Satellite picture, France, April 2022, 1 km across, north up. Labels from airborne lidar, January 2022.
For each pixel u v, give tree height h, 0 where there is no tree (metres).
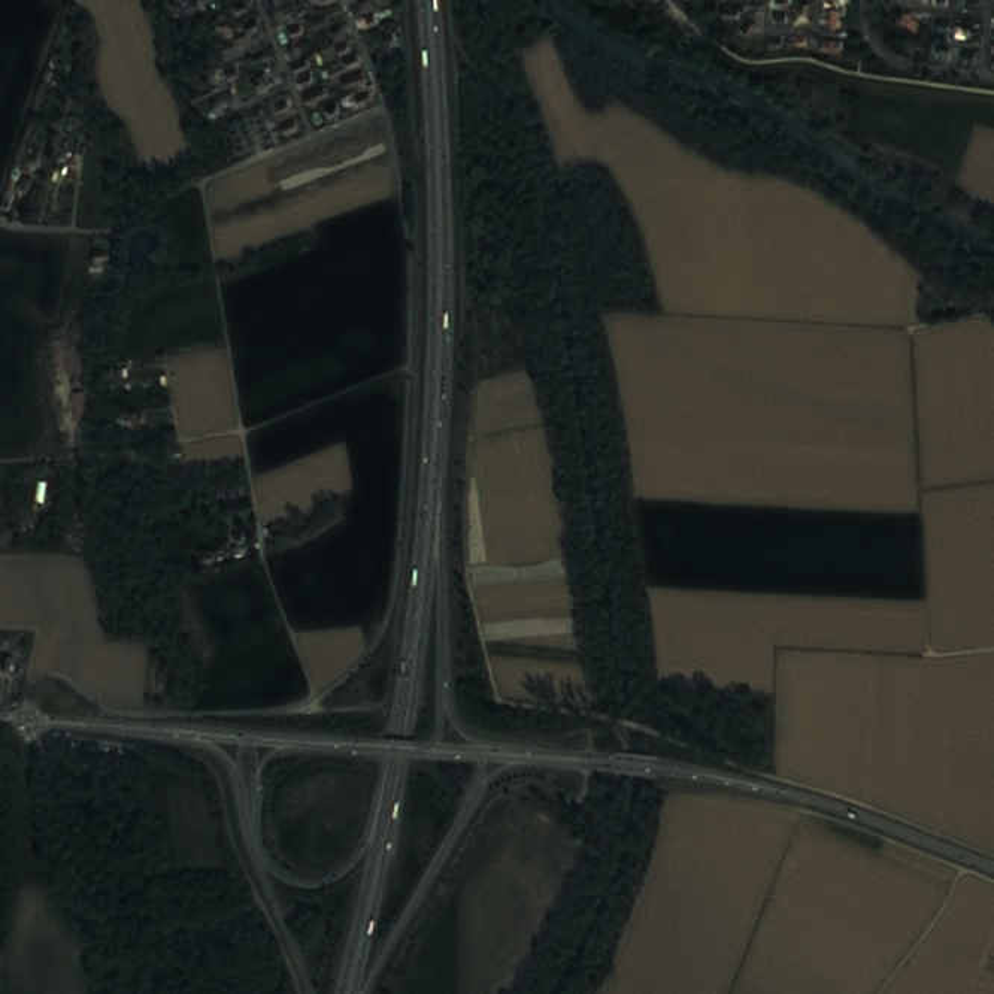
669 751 0
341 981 0
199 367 0
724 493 0
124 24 0
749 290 0
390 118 0
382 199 0
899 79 0
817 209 0
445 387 0
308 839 0
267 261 6
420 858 0
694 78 0
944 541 0
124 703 0
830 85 0
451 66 0
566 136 0
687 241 0
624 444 19
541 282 26
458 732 0
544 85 0
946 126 0
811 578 0
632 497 19
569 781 0
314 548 0
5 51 0
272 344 0
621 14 0
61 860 21
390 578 0
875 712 0
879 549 0
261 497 0
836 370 0
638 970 0
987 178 0
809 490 0
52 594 0
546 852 0
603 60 16
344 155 0
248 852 0
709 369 0
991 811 0
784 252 0
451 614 0
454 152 0
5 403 0
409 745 0
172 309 0
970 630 0
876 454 0
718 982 0
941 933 0
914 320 0
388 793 0
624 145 0
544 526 0
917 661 0
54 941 0
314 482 0
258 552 14
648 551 0
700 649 0
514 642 0
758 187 0
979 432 0
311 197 0
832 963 0
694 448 0
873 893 0
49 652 0
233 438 0
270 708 0
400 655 0
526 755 0
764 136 17
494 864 0
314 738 0
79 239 0
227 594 0
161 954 23
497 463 0
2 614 0
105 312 21
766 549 0
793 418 0
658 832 21
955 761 0
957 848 0
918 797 0
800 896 0
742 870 0
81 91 20
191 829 0
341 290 0
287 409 0
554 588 0
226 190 0
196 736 0
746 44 0
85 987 0
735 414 0
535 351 16
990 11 0
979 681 0
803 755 0
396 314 0
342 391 0
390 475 0
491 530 0
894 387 0
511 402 0
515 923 0
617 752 0
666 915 0
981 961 0
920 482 0
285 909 0
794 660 0
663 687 12
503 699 0
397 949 0
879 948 0
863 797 0
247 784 0
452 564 0
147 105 0
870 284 0
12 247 0
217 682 0
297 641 0
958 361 0
